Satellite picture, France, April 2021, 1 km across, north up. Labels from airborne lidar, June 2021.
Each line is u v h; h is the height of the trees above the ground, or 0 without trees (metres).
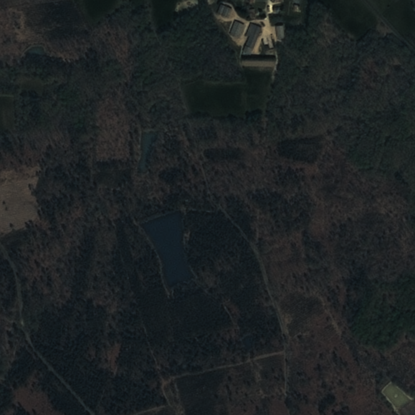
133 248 10
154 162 13
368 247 16
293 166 5
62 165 6
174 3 0
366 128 19
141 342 13
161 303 18
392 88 14
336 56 26
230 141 12
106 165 16
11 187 0
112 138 8
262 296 15
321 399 12
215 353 15
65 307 15
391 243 9
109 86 8
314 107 14
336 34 22
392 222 6
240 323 15
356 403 0
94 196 15
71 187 20
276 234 16
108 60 11
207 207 14
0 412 17
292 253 16
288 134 16
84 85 17
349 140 22
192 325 17
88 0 0
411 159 16
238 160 9
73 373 11
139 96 17
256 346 12
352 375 14
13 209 0
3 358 15
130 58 13
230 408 0
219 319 17
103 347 12
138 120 15
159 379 14
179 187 13
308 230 16
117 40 10
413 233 12
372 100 22
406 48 23
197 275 9
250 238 14
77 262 16
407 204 18
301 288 11
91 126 16
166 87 18
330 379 15
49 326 14
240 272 17
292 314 0
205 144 17
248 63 0
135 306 14
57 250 17
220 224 11
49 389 10
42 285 7
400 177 18
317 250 11
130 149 15
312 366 0
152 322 16
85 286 12
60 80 12
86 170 15
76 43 8
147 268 13
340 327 11
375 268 12
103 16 0
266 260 17
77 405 12
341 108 24
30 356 13
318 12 24
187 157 14
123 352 15
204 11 20
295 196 18
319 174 0
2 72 25
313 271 8
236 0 0
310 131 19
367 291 17
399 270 5
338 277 15
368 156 18
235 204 21
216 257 14
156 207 8
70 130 14
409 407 0
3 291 6
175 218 0
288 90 15
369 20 0
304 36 24
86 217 6
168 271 0
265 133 22
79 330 16
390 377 17
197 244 15
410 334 16
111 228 15
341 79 13
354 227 11
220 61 15
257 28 0
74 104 13
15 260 12
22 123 8
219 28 14
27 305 17
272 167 8
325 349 7
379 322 16
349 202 9
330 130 12
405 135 20
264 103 0
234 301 14
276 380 13
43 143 17
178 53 16
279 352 0
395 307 6
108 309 9
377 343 15
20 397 0
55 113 15
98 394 13
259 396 0
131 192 14
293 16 0
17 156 11
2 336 15
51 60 17
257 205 10
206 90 0
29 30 0
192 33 23
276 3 0
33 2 16
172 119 20
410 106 17
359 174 14
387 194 10
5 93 13
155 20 0
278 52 16
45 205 19
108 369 12
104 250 0
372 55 18
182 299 19
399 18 0
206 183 11
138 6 0
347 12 0
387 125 26
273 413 0
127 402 9
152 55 18
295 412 16
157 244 0
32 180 0
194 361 15
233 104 0
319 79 22
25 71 15
